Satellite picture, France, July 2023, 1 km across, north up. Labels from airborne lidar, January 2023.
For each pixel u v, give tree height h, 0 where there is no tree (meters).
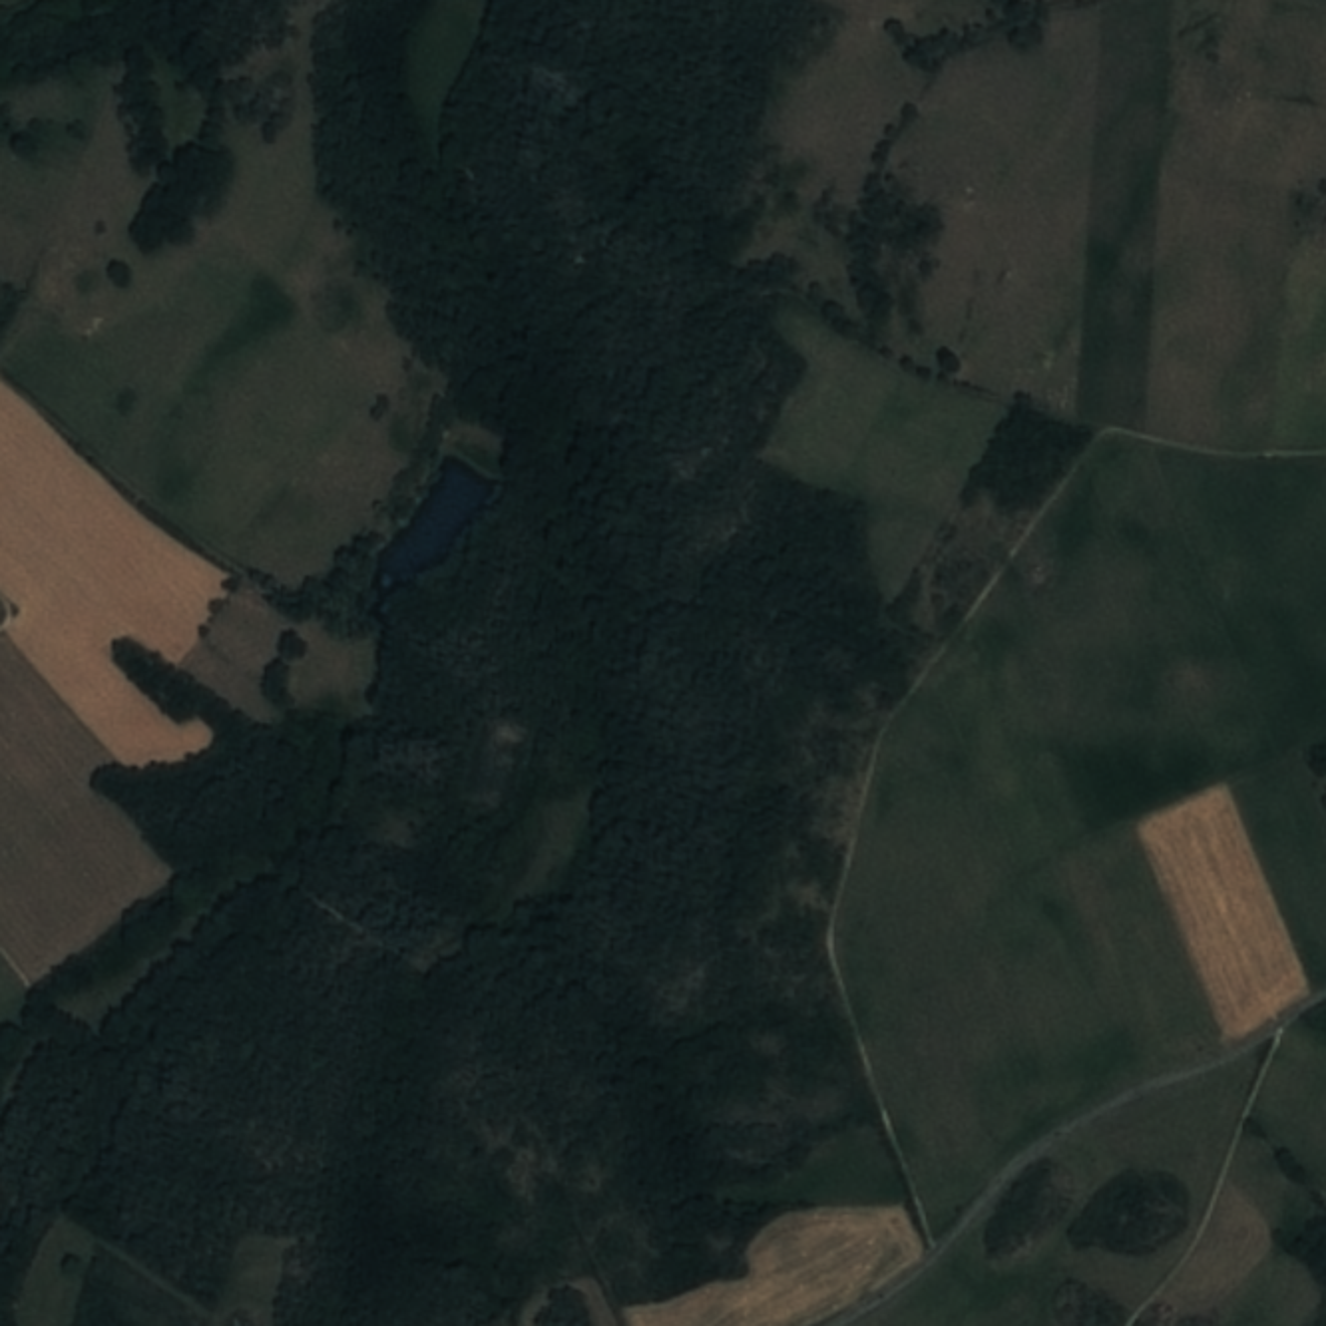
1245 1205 0
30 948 0
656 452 13
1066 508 0
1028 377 0
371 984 10
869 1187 0
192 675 6
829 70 0
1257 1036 0
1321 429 0
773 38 7
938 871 0
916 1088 0
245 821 21
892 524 0
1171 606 0
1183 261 0
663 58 12
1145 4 0
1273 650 0
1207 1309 0
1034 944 0
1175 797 0
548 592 18
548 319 18
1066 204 0
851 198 0
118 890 0
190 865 12
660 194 16
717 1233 10
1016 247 0
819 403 0
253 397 0
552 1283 0
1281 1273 0
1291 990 0
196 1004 9
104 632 0
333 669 0
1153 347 0
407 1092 17
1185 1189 0
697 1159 13
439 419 10
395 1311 10
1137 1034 0
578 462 18
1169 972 0
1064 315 0
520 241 13
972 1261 0
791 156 0
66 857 0
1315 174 0
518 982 15
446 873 10
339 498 0
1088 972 0
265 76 0
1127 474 0
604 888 6
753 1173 10
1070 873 0
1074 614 0
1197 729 0
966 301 0
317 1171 9
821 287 8
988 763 0
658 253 13
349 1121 11
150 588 0
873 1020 0
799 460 0
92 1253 0
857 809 0
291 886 6
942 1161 0
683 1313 0
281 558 0
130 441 0
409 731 6
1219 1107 0
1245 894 0
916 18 0
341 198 11
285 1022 12
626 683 17
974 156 0
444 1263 8
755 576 8
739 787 11
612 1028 16
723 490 10
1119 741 0
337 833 12
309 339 0
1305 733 0
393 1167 15
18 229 0
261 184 0
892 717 0
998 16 9
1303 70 0
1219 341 0
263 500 0
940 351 0
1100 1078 0
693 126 11
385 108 24
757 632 6
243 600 0
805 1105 0
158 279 0
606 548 20
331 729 9
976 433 0
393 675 21
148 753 0
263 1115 9
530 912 18
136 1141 15
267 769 19
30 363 0
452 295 18
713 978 6
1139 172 0
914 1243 0
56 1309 0
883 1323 0
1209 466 0
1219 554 0
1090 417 0
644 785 16
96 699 0
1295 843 0
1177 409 0
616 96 20
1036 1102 0
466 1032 6
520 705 13
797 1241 0
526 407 22
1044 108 0
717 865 9
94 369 0
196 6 16
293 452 0
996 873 0
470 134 7
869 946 0
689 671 8
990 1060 0
